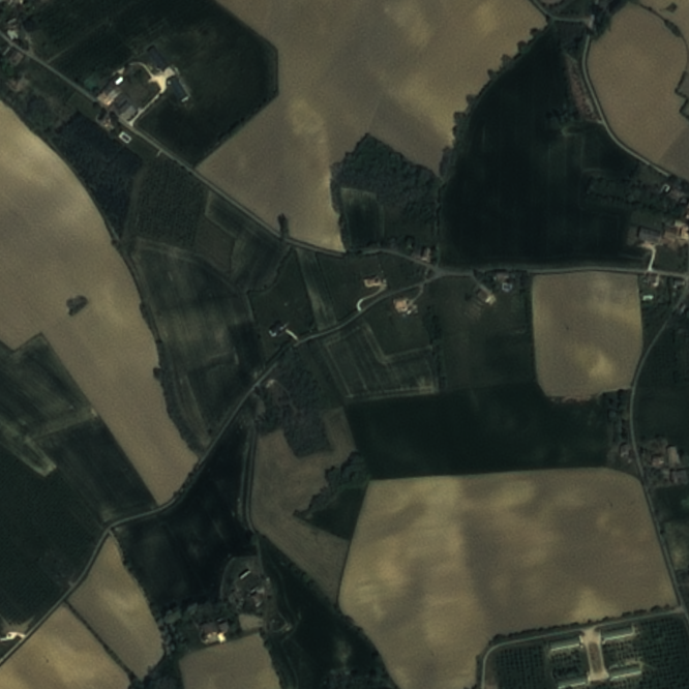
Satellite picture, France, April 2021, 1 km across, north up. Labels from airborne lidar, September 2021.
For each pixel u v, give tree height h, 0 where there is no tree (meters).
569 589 0
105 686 0
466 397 0
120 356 0
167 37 0
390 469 0
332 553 0
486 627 0
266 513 0
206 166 0
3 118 0
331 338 0
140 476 0
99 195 7
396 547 0
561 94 0
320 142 0
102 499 0
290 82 0
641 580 0
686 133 0
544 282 0
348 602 0
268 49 0
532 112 0
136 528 0
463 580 0
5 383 0
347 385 0
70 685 0
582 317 0
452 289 0
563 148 0
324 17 0
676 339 7
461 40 0
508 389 0
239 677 0
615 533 0
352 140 0
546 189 0
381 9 0
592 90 0
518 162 0
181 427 18
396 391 0
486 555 0
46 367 0
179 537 0
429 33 0
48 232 0
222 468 0
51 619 0
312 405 11
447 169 16
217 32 0
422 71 0
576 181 0
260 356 0
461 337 0
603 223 0
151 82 0
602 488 0
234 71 0
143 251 0
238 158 0
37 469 0
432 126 0
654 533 0
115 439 0
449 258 0
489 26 0
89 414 0
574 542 0
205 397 0
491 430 0
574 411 0
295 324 0
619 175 0
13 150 0
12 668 0
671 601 0
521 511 0
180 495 8
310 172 0
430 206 7
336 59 0
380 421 0
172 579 0
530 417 0
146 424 0
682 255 10
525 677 6
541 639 0
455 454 0
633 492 0
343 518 0
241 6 0
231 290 0
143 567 0
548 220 0
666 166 0
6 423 0
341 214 9
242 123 7
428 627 0
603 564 0
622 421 9
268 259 0
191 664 0
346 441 0
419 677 0
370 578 0
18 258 0
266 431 14
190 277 0
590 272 0
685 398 0
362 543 0
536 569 0
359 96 0
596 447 0
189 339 0
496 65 0
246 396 0
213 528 0
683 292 10
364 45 0
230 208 0
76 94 0
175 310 0
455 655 0
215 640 0
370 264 0
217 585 0
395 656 0
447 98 0
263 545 0
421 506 0
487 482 0
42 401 0
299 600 0
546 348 0
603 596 0
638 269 0
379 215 0
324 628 0
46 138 12
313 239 0
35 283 0
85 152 13
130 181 11
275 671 10
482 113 0
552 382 0
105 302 0
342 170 13
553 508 0
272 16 0
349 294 0
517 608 0
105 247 0
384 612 0
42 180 0
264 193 0
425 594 0
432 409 0
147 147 0
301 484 0
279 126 0
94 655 0
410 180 17
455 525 0
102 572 0
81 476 0
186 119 0
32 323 0
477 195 0
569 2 11
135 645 0
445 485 0
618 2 9
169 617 19
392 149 6
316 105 0
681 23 0
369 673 0
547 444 0
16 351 0
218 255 0
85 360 0
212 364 0
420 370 0
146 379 0
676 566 0
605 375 0
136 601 0
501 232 0
